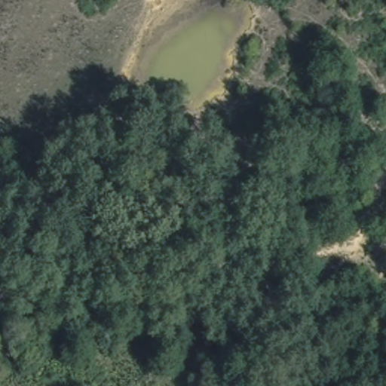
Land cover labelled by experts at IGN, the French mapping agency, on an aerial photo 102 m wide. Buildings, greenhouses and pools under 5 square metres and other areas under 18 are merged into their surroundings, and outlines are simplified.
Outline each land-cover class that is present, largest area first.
<instances>
[{"label":"coniferous trees","instance_id":"1","mask_svg":"<svg viewBox=\"0 0 386 386\"><path fill-rule=\"evenodd\" d=\"M256 6H268L273 12L277 14L282 9L289 11L288 3H294L296 0H249ZM188 93L187 86L182 81L179 86H173L164 93H157L146 81L143 84H136L127 78L124 86L113 90L109 100L100 110H96L93 115L80 116L78 122L69 125L57 139L53 137V140L45 145L42 142L18 143L14 148L12 155L18 163L17 169L11 173L0 172V308L6 312L8 321H15L17 324L24 323L27 318L32 320L33 317H39L42 311L47 315H54L57 312L62 317L59 326L68 332L75 324L74 317L87 311L90 320L107 327V333L112 338L121 336L130 341L140 333L154 336L161 332L166 336L172 338L175 335L176 324L179 326L187 321L190 333L199 329L210 341L225 342L226 338L231 341L232 348L237 353L234 354L232 362L220 366L216 372L217 383L214 386H332L338 380V363L332 360L329 363L327 356L323 354L321 341L324 336L318 332L317 324L312 317V311L317 308L308 294L302 293V286L306 285L305 277L297 273L300 267L306 265L305 256L308 255V250L303 247L305 241L297 228L286 226V199L283 196L285 184L293 181L294 173L302 172L308 151H302L299 145L286 140L282 145L274 146L270 136L255 134L247 142L237 140L234 143V137L223 128L222 121L210 124L205 131L191 134L190 130H185L188 122L184 115L187 113L182 96Z\"/></svg>","mask_w":386,"mask_h":386},{"label":"deciduous trees","instance_id":"2","mask_svg":"<svg viewBox=\"0 0 386 386\"><path fill-rule=\"evenodd\" d=\"M315 60L309 65V72L314 83L306 92L309 103L291 100L280 93L282 103L271 104L268 109L271 115L280 116V130L271 131L270 136L274 146L282 145L286 140L299 145L302 151H308L302 172L294 173L293 181L285 184L283 196L286 199V226L297 228L305 241L303 247L308 250V255L305 256L306 265L300 267L297 273L305 277L306 285L302 286V293L308 294L317 308L312 311V317L317 324L318 332L324 336L321 341L323 354L327 356L329 363L332 360L338 363V380L332 386H386V139H378L377 133L362 122L365 115L362 113V95L357 86L359 68L356 65L359 57L356 51L339 44L338 39L329 33L312 42ZM359 232L365 235L363 252L375 262V270L384 274L383 280H375L368 270L359 273L356 262L344 256L317 255V250L332 244L344 243L345 240L356 237ZM374 121L386 122V93L378 95L377 112L371 115ZM14 148L11 139H5L0 143V172L11 173L17 169L18 163L12 155ZM75 324L68 332L59 326L62 317L57 312L54 315H47L42 311L39 317H33L32 320L27 318L24 323L17 324L15 321H8L6 312L0 308V386H3L8 381L12 369L20 372L23 363L29 368H42L44 360L50 356L63 365L75 363L77 368H89L90 372L98 371V354L110 356L115 348L119 351L125 350L130 341L121 336L112 338L107 333V327L90 320L87 311L74 317ZM166 350L152 363L151 374L164 375L172 383L170 386H214L217 383L216 372L220 366L232 362L234 354L237 353L232 348L231 341L226 338L225 342L210 341L199 329L190 333L187 321L179 326L176 324L175 335L172 338L166 336L163 342Z\"/></svg>","mask_w":386,"mask_h":386},{"label":"herbaceous vegetation","instance_id":"3","mask_svg":"<svg viewBox=\"0 0 386 386\"><path fill-rule=\"evenodd\" d=\"M77 0H0V143L5 139H11L14 148L18 143L42 142L45 145L53 140V137L57 139L69 125L78 122L80 116L93 115L96 110H100L109 100L113 90L124 86L127 78L121 72L122 63L136 38L134 24L145 0H116L107 9L106 14L86 17L78 9L75 3ZM289 11L282 9L277 14L273 12L258 15L255 29L249 33L252 39H259L262 42V59L253 65H246L243 72L232 71V78L256 89H270L273 81L265 78V63L270 57L271 48L276 44L277 36L285 38V29L293 26V21H300L303 26L314 23L320 26L332 17H341L347 21L362 20V14L348 15L344 9L336 5V0H296L294 3H288ZM338 39L339 44L356 51L360 42L368 39V33L348 35L347 32L333 29L329 33ZM356 65L359 68L357 86L362 95V113L365 115L362 122L377 133L378 139H386V122L374 121L371 115L377 112L378 95L386 93V74L378 77L375 74V63L359 57ZM365 235L359 232L356 237L345 240L344 243L332 244L317 250V255L344 256L356 262L359 273L368 270L375 280H383L384 274L375 270V262L363 252ZM166 336L161 332L154 336L140 333L130 341L125 350L119 351L115 348L110 356L98 354V371L90 372L89 368H77L75 363L63 365L50 356L44 360L42 368H29L23 363L20 372L12 369L8 381L3 386H170L172 383L164 375L151 374L152 363L166 350L163 342Z\"/></svg>","mask_w":386,"mask_h":386},{"label":"brushwood","instance_id":"4","mask_svg":"<svg viewBox=\"0 0 386 386\"><path fill-rule=\"evenodd\" d=\"M116 0H77L75 3L78 9L86 17L106 14L107 9ZM336 5L344 9L348 15L362 14V20L347 21L341 17H332L320 26L314 23L303 26L300 21H293V26L285 29V38L277 36L276 44L271 48L270 57L265 63V78L273 81L270 89H256L232 78L223 83L228 90L225 100L205 104L204 112L196 118L187 113L184 115L188 122L185 130H190L191 134L205 131L210 124L222 121L223 128L234 137V143L237 140L247 142L255 134L270 136L271 131L280 130V116L271 115L268 109L271 104L282 103L280 93L291 100L309 103L306 92L314 83L309 72V65L315 60L312 42L329 33L333 29L347 32L348 35L368 33V39L360 42L356 51L359 57L375 63V74L378 77L386 74V0H336ZM262 42L259 39H252L247 50L246 65H253L262 59Z\"/></svg>","mask_w":386,"mask_h":386},{"label":"bare soil","instance_id":"5","mask_svg":"<svg viewBox=\"0 0 386 386\"><path fill-rule=\"evenodd\" d=\"M273 12L268 6H256L249 0H145L134 24L136 38L122 63L121 72L127 78L136 84H143L146 81L154 77L155 63L166 48L176 45L179 38L187 35L188 30L195 29L214 15L216 18L231 21L232 26L237 29L243 24L247 35L238 39L237 53L229 47L226 50V63L229 68L225 71L216 69L213 72L216 75L213 89L208 90L205 95L188 93L182 96L187 113L196 118L204 112L205 104L225 100L228 90L223 83L232 78V71L243 72L246 65L247 50L252 39L249 33L255 29L258 15Z\"/></svg>","mask_w":386,"mask_h":386},{"label":"water","instance_id":"6","mask_svg":"<svg viewBox=\"0 0 386 386\"><path fill-rule=\"evenodd\" d=\"M247 35L243 24L237 29L232 26L231 21L216 18L214 15L195 29L188 30L187 35L179 38L176 45L166 48L155 63L154 77L146 81L157 93H164L173 86H179L182 81L187 86L188 93L205 95L208 90L213 89L216 75L213 72L216 69L225 71L229 68L226 63V50L229 47L237 53L238 39Z\"/></svg>","mask_w":386,"mask_h":386}]
</instances>
